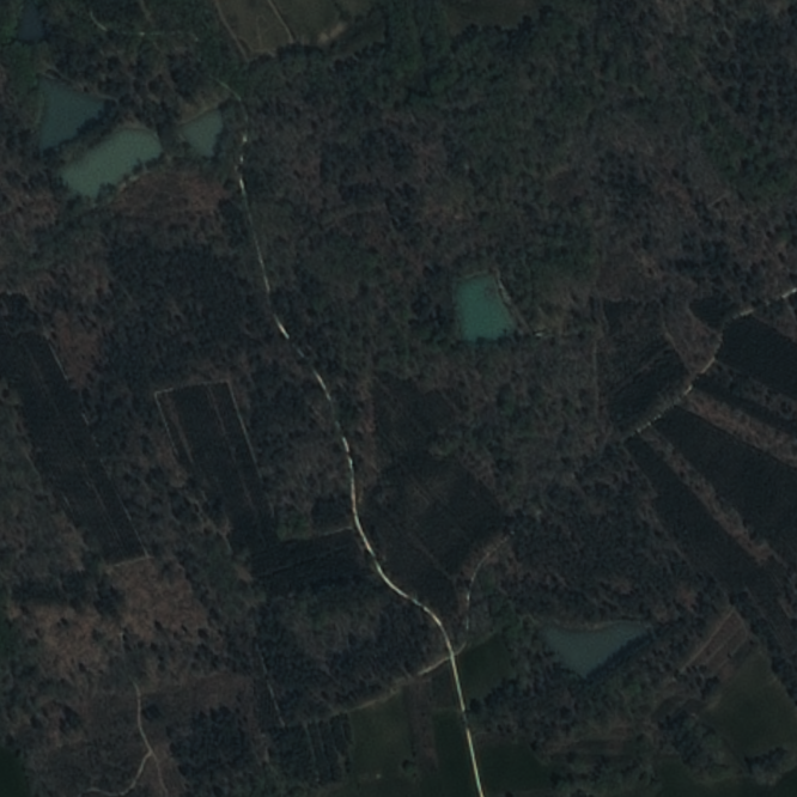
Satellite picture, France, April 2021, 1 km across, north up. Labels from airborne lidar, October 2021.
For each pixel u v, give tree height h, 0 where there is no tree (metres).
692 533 11
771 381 11
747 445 10
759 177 21
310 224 15
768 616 8
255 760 15
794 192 14
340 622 15
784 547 7
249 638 11
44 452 9
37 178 14
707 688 7
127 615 0
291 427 6
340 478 12
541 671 11
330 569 10
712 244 11
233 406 8
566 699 28
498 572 14
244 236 12
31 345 8
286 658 18
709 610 23
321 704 14
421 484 7
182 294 23
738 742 0
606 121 12
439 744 0
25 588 16
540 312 16
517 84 20
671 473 12
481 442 21
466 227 6
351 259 22
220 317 19
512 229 8
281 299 16
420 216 24
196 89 27
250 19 0
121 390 16
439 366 16
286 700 11
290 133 14
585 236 17
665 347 8
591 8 18
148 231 16
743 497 11
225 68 23
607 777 22
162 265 23
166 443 8
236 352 17
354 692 12
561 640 0
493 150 21
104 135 16
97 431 14
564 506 24
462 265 15
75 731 21
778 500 11
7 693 8
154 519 11
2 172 12
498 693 0
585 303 12
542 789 0
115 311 23
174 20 19
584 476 12
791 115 19
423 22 26
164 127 15
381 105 15
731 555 11
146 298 21
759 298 11
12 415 17
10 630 14
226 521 20
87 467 7
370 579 15
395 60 23
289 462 13
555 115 20
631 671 23
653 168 9
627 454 8
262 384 18
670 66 18
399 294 15
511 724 15
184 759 21
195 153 14
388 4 27
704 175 15
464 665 0
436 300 9
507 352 16
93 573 21
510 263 13
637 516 24
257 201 13
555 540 25
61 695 14
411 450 7
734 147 20
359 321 21
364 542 7
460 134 18
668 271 8
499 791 0
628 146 11
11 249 20
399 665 13
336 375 21
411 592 9
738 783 0
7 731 9
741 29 17
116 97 17
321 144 16
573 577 23
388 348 10
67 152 14
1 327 8
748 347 10
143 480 18
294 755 16
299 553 10
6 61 19
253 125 12
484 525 8
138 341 22
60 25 16
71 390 9
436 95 17
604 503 25
